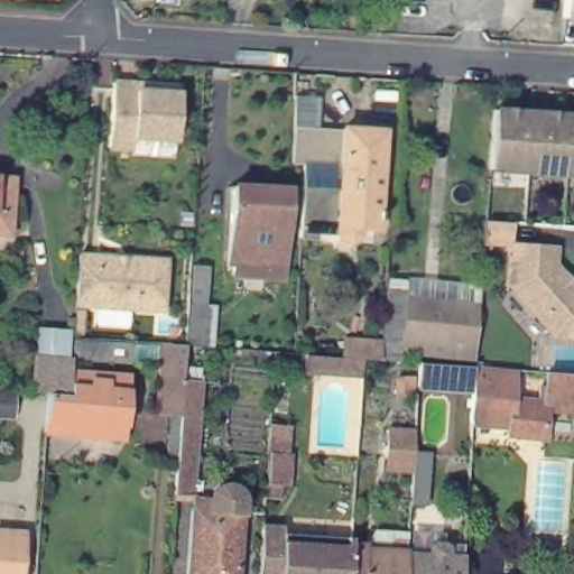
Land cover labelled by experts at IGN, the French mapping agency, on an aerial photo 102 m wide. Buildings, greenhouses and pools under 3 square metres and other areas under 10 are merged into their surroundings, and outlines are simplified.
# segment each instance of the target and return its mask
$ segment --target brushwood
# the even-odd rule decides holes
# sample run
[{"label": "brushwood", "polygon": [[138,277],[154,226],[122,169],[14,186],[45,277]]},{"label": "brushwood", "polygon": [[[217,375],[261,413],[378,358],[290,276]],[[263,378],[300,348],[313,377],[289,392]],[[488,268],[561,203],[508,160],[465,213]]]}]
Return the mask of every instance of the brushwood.
[{"label": "brushwood", "polygon": [[159,76],[159,67],[137,67],[135,72],[123,72],[121,67],[110,65],[108,74],[112,83],[114,83],[146,83],[148,78]]},{"label": "brushwood", "polygon": [[191,166],[186,182],[161,179],[157,186],[166,195],[186,197],[191,206],[197,206],[200,202],[197,164]]},{"label": "brushwood", "polygon": [[166,240],[184,244],[191,251],[191,256],[193,226],[182,224],[168,224],[157,217],[157,226],[164,231]]},{"label": "brushwood", "polygon": [[195,103],[200,108],[211,108],[213,67],[188,65],[184,67],[184,74],[186,74],[186,76],[193,78]]},{"label": "brushwood", "polygon": [[267,525],[265,516],[251,520],[251,574],[258,574],[260,545],[267,536]]},{"label": "brushwood", "polygon": [[179,558],[175,556],[175,534],[179,534],[177,516],[182,513],[182,504],[177,502],[177,511],[166,516],[164,543],[168,552],[164,554],[164,570],[168,574],[173,574],[173,565]]}]

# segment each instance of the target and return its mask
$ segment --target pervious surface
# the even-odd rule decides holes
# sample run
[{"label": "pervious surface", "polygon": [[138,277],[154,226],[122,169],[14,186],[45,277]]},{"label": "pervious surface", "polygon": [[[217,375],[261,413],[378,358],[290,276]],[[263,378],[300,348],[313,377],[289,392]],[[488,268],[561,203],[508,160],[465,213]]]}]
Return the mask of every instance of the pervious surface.
[{"label": "pervious surface", "polygon": [[406,397],[404,401],[408,406],[408,415],[404,419],[413,419],[422,426],[428,413],[428,404],[424,404],[424,397],[419,388],[415,388]]},{"label": "pervious surface", "polygon": [[422,435],[417,437],[417,451],[431,453],[437,453],[437,457],[442,457],[455,453],[455,444],[451,439],[446,446],[435,446],[424,444]]},{"label": "pervious surface", "polygon": [[161,419],[157,413],[144,413],[141,408],[137,408],[132,426],[141,428],[144,442],[164,442],[170,437],[173,422]]},{"label": "pervious surface", "polygon": [[94,325],[108,330],[132,327],[132,318],[130,312],[119,309],[99,309],[94,314]]},{"label": "pervious surface", "polygon": [[99,148],[96,155],[87,161],[87,226],[83,231],[81,242],[83,253],[126,256],[123,247],[119,247],[103,233],[99,220],[101,184],[103,173],[108,170],[103,159],[110,150],[110,123],[119,121],[121,117],[119,87],[114,83],[112,83],[112,87],[96,87],[92,87],[94,105],[90,108],[90,119],[96,126]]},{"label": "pervious surface", "polygon": [[303,265],[298,240],[303,213],[303,184],[296,186],[289,265]]},{"label": "pervious surface", "polygon": [[549,424],[552,439],[565,439],[565,435],[574,439],[574,422]]},{"label": "pervious surface", "polygon": [[504,312],[531,336],[531,365],[543,368],[554,361],[554,350],[565,348],[558,339],[554,339],[547,332],[545,323],[538,316],[531,316],[520,305],[520,300],[507,289],[502,298]]}]

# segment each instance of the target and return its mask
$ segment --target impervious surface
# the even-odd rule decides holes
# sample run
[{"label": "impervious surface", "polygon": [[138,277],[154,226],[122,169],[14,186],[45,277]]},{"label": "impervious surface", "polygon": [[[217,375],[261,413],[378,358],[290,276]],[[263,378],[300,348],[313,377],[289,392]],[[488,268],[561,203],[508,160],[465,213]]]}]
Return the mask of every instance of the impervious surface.
[{"label": "impervious surface", "polygon": [[38,110],[40,105],[45,105],[49,101],[49,90],[63,96],[63,74],[67,72],[70,63],[87,63],[92,67],[94,78],[99,81],[96,87],[112,87],[112,83],[108,74],[110,65],[121,67],[123,72],[135,72],[137,67],[159,67],[164,67],[164,65],[173,65],[173,63],[188,63],[188,65],[213,67],[211,108],[209,141],[204,144],[206,155],[200,157],[197,164],[200,202],[209,215],[224,217],[226,222],[229,188],[235,188],[240,184],[296,186],[303,184],[303,173],[296,166],[291,166],[271,170],[231,150],[226,144],[226,108],[229,83],[238,78],[242,72],[260,72],[267,76],[291,76],[289,99],[294,108],[298,108],[298,96],[321,96],[321,128],[343,130],[352,126],[379,126],[392,130],[397,128],[397,110],[392,101],[399,101],[399,92],[404,90],[401,81],[419,76],[435,85],[439,85],[439,132],[448,132],[451,128],[455,85],[484,85],[516,83],[520,87],[520,94],[507,99],[504,108],[574,112],[574,25],[572,22],[561,31],[561,40],[556,43],[511,36],[509,29],[520,18],[522,9],[529,4],[527,0],[408,0],[397,27],[388,31],[374,31],[370,36],[357,36],[352,25],[343,25],[339,29],[323,29],[314,25],[309,29],[289,22],[280,27],[280,20],[269,7],[271,0],[220,0],[226,7],[224,22],[197,22],[193,18],[179,18],[177,22],[157,22],[157,18],[144,16],[146,9],[141,0],[0,0],[0,58],[38,58],[38,67],[31,72],[27,83],[0,103],[0,175],[18,177],[20,195],[16,238],[29,235],[36,242],[34,262],[29,265],[27,280],[27,291],[36,291],[40,330],[65,330],[67,307],[54,285],[49,260],[45,260],[43,244],[47,242],[47,238],[43,211],[36,200],[38,186],[54,191],[61,186],[58,175],[49,173],[52,164],[47,164],[31,168],[13,159],[4,150],[7,121],[20,114],[22,110]]},{"label": "impervious surface", "polygon": [[[312,453],[359,455],[363,388],[363,379],[312,379]],[[318,442],[321,397],[332,386],[341,388],[348,397],[345,437],[341,446]]]},{"label": "impervious surface", "polygon": [[561,247],[561,262],[574,276],[574,233],[527,226],[516,231],[518,242]]},{"label": "impervious surface", "polygon": [[173,565],[173,574],[184,574],[188,511],[192,509],[192,502],[182,504],[182,513],[177,516],[179,534],[175,534],[175,556],[179,558]]},{"label": "impervious surface", "polygon": [[444,157],[439,157],[433,170],[424,278],[437,278],[439,222],[444,215],[448,166]]},{"label": "impervious surface", "polygon": [[323,233],[323,244],[332,244],[341,253],[345,253],[352,262],[357,260],[357,247],[352,240],[343,240],[339,233]]},{"label": "impervious surface", "polygon": [[493,186],[513,188],[511,173],[500,173],[498,166],[489,170],[493,177]]},{"label": "impervious surface", "polygon": [[561,543],[567,543],[567,525],[574,518],[574,460],[561,460],[565,469],[563,516],[561,531],[554,536],[536,531],[536,527],[543,522],[543,513],[534,507],[538,489],[538,469],[547,466],[547,462],[552,460],[545,457],[543,446],[536,439],[513,437],[502,428],[491,428],[489,433],[478,435],[478,442],[511,446],[527,464],[527,516],[518,520],[522,536],[527,536],[534,543],[540,543],[545,549],[558,549]]},{"label": "impervious surface", "polygon": [[516,370],[520,399],[531,399],[536,390],[543,386],[545,374],[554,372],[554,361],[543,368],[531,365],[529,370]]},{"label": "impervious surface", "polygon": [[365,543],[370,549],[401,549],[413,554],[431,554],[431,547],[419,543],[379,543],[374,540],[374,536],[370,534],[368,525],[348,527],[348,538],[357,536],[357,540]]},{"label": "impervious surface", "polygon": [[446,518],[433,504],[419,509],[415,516],[415,520],[422,525],[442,525],[442,543],[457,545],[466,538],[464,534],[446,527]]},{"label": "impervious surface", "polygon": [[43,531],[43,525],[36,509],[38,469],[45,469],[45,462],[52,460],[70,460],[81,451],[87,451],[87,460],[101,460],[105,455],[117,453],[103,439],[94,439],[87,448],[83,448],[78,442],[72,439],[49,437],[45,433],[47,401],[38,397],[25,399],[20,413],[16,415],[16,422],[22,428],[20,478],[16,482],[0,482],[0,531],[27,531],[29,554],[40,554],[38,534]]},{"label": "impervious surface", "polygon": [[469,574],[502,574],[502,561],[491,554],[484,554],[480,558],[480,567],[469,565]]}]

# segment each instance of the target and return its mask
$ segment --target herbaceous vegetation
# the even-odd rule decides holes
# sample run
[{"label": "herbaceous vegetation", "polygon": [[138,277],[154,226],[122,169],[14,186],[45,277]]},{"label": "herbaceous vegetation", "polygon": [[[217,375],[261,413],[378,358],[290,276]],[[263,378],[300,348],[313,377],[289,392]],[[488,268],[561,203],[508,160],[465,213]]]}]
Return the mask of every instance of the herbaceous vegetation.
[{"label": "herbaceous vegetation", "polygon": [[457,363],[475,365],[478,370],[484,365],[516,370],[529,370],[531,365],[531,336],[504,312],[502,298],[489,303],[482,296],[478,359],[460,359]]},{"label": "herbaceous vegetation", "polygon": [[0,482],[16,482],[20,478],[22,428],[16,422],[0,422]]},{"label": "herbaceous vegetation", "polygon": [[132,426],[128,444],[117,453],[105,455],[101,460],[87,460],[87,451],[81,451],[70,460],[52,460],[45,462],[45,469],[38,469],[36,509],[43,525],[43,531],[38,534],[40,554],[29,554],[29,574],[168,574],[164,570],[164,554],[168,552],[164,543],[166,516],[177,511],[177,502],[173,484],[175,471],[152,469],[146,460],[137,457],[137,453],[144,446],[146,451],[157,453],[161,457],[173,455],[164,442],[144,442],[141,428]]},{"label": "herbaceous vegetation", "polygon": [[27,280],[25,278],[18,287],[11,287],[9,291],[0,283],[0,316],[9,316],[18,303],[18,296],[27,291]]},{"label": "herbaceous vegetation", "polygon": [[565,435],[565,439],[552,439],[543,446],[545,457],[552,460],[561,460],[574,460],[574,439]]},{"label": "herbaceous vegetation", "polygon": [[534,195],[540,188],[549,193],[554,200],[561,197],[561,217],[556,222],[574,224],[574,184],[545,184],[540,175],[534,175],[529,179],[529,195]]},{"label": "herbaceous vegetation", "polygon": [[197,22],[224,22],[226,7],[220,0],[141,0],[146,9],[144,16],[157,18],[157,22],[177,22],[179,18],[193,18]]},{"label": "herbaceous vegetation", "polygon": [[31,72],[38,67],[38,58],[0,58],[0,103],[27,83]]},{"label": "herbaceous vegetation", "polygon": [[572,22],[561,13],[563,0],[527,0],[529,4],[522,9],[520,18],[509,29],[511,36],[556,43],[561,40],[561,31]]},{"label": "herbaceous vegetation", "polygon": [[451,211],[460,211],[462,224],[469,231],[480,231],[482,226],[487,226],[487,222],[520,220],[522,191],[513,188],[493,186],[493,177],[489,170],[487,159],[491,144],[491,114],[496,110],[493,103],[489,103],[480,92],[484,85],[455,85],[451,128],[448,132],[439,132],[439,85],[435,85],[415,94],[413,108],[408,108],[408,128],[417,137],[428,139],[439,157],[444,157],[448,166],[444,215]]},{"label": "herbaceous vegetation", "polygon": [[141,408],[146,401],[146,388],[155,383],[155,379],[159,379],[159,368],[144,379],[144,374],[132,365],[94,361],[90,370],[132,374],[137,408]]},{"label": "herbaceous vegetation", "polygon": [[365,305],[368,300],[372,300],[372,291],[388,289],[392,278],[424,278],[433,170],[404,179],[404,206],[408,222],[406,229],[395,238],[390,238],[388,233],[383,242],[357,247],[357,260],[377,258],[381,244],[388,249],[388,265],[379,265],[377,274],[370,278],[370,285],[363,289],[363,298],[359,303],[341,303],[327,298],[327,278],[334,276],[334,265],[341,253],[332,244],[323,244],[298,240],[303,265],[305,278],[309,283],[309,309],[330,321],[327,330],[316,330],[316,341],[334,339],[339,343],[348,339],[374,339],[374,334],[363,332]]},{"label": "herbaceous vegetation", "polygon": [[[238,78],[229,83],[226,108],[226,144],[231,150],[271,170],[291,166],[294,108],[289,99],[291,76],[267,76],[260,72],[242,72]],[[276,92],[276,96],[285,103],[274,110],[265,105],[260,110],[253,110],[249,105],[251,96],[258,103],[265,103],[267,92]]]},{"label": "herbaceous vegetation", "polygon": [[[209,352],[195,354],[195,341],[186,339],[188,314],[184,309],[184,298],[191,294],[191,267],[211,267],[213,276],[209,300],[217,305],[217,327],[231,327],[240,336],[256,336],[256,343],[235,345],[238,365],[229,365],[229,370],[222,370],[217,379],[206,379],[204,406],[217,401],[224,395],[235,399],[233,408],[220,417],[222,433],[211,437],[206,431],[200,439],[202,457],[215,457],[217,462],[229,464],[233,471],[240,466],[258,466],[267,471],[267,431],[274,424],[291,426],[291,457],[294,469],[298,471],[298,480],[296,487],[289,487],[285,498],[280,500],[280,513],[287,516],[283,525],[287,527],[287,531],[296,522],[348,527],[368,525],[370,534],[374,536],[374,531],[381,529],[406,531],[408,522],[415,520],[415,516],[408,507],[410,475],[390,473],[381,482],[377,482],[374,471],[381,446],[390,446],[392,428],[408,428],[417,437],[422,435],[422,426],[413,419],[404,419],[408,415],[408,406],[404,401],[406,397],[392,392],[392,383],[395,379],[415,377],[417,372],[404,370],[404,359],[392,363],[388,377],[377,381],[372,392],[363,388],[359,455],[312,453],[312,379],[307,379],[305,383],[296,383],[287,392],[280,386],[271,386],[267,381],[267,365],[274,361],[289,361],[300,370],[305,368],[303,357],[303,352],[283,348],[291,336],[287,314],[291,312],[294,291],[298,285],[296,271],[289,269],[287,278],[265,278],[262,291],[244,289],[247,278],[238,276],[235,271],[229,274],[224,267],[226,222],[224,217],[209,215],[200,202],[197,206],[191,206],[186,197],[166,195],[157,186],[161,179],[186,182],[191,166],[197,164],[200,157],[206,155],[204,144],[191,141],[184,135],[177,155],[170,159],[137,155],[121,159],[117,152],[110,150],[103,159],[108,170],[103,173],[101,184],[99,220],[103,233],[119,247],[123,247],[126,256],[150,256],[170,260],[170,316],[177,318],[177,325],[179,325],[179,336],[166,336],[152,334],[155,325],[152,316],[132,318],[132,327],[108,330],[94,325],[94,314],[85,314],[85,334],[81,334],[76,327],[76,280],[83,253],[81,242],[83,231],[87,226],[87,161],[83,157],[72,155],[52,155],[47,164],[52,164],[49,173],[58,175],[61,186],[54,191],[38,186],[36,200],[43,211],[47,238],[47,242],[43,244],[45,260],[49,260],[54,285],[67,307],[65,330],[72,332],[74,341],[90,339],[114,343],[184,345],[188,350],[188,365],[202,368],[211,359],[213,348]],[[144,217],[148,226],[139,226],[139,215],[135,215],[130,209],[130,197],[141,193],[146,193],[152,200],[152,213]],[[164,231],[157,226],[157,217],[168,224],[182,224],[182,215],[188,211],[195,220],[193,226],[191,256],[191,251],[184,244],[166,240]]]},{"label": "herbaceous vegetation", "polygon": [[448,473],[446,482],[460,489],[462,496],[471,493],[482,498],[493,534],[504,531],[500,527],[498,507],[511,507],[511,513],[518,520],[527,516],[527,464],[511,446],[478,442],[469,439],[466,401],[471,392],[444,390],[451,399],[451,439],[455,444],[455,453],[442,457],[437,457],[437,453],[431,453],[433,469],[444,469]]}]

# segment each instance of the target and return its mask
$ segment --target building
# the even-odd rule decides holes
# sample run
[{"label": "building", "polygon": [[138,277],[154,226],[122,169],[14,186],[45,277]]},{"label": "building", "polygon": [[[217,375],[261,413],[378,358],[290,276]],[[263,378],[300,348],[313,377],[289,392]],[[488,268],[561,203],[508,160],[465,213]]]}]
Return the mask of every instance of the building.
[{"label": "building", "polygon": [[330,321],[309,309],[309,321],[305,327],[316,330],[327,330]]},{"label": "building", "polygon": [[269,504],[274,500],[280,500],[285,498],[289,487],[296,487],[298,480],[298,471],[294,469],[291,457],[291,426],[274,424],[267,431],[267,471],[269,491],[260,498],[260,502]]},{"label": "building", "polygon": [[170,159],[177,155],[184,135],[186,108],[195,103],[193,78],[186,76],[182,76],[182,78],[161,78],[161,76],[159,76],[148,78],[146,83],[114,83],[119,87],[121,117],[119,121],[110,123],[110,150],[117,152],[121,159],[137,155]]},{"label": "building", "polygon": [[433,504],[433,469],[431,453],[417,451],[417,437],[408,428],[392,428],[390,446],[381,446],[374,471],[377,482],[381,482],[390,473],[410,475],[408,507],[415,516],[419,509]]},{"label": "building", "polygon": [[182,224],[193,226],[195,220],[188,211],[182,215]]},{"label": "building", "polygon": [[16,415],[20,413],[25,399],[13,392],[0,392],[0,422],[16,422]]},{"label": "building", "polygon": [[500,173],[511,173],[513,188],[522,191],[520,220],[487,222],[487,226],[487,244],[493,249],[502,249],[507,256],[507,289],[520,300],[520,305],[531,316],[538,316],[545,323],[547,332],[554,339],[558,339],[565,348],[574,348],[574,276],[561,262],[561,247],[518,242],[516,231],[527,226],[574,233],[574,224],[556,222],[545,222],[538,211],[529,211],[529,195],[529,179],[534,175],[540,175],[545,184],[574,184],[574,112],[504,108],[496,110],[491,114],[491,144],[487,159],[489,170],[498,166]]},{"label": "building", "polygon": [[572,22],[574,25],[574,0],[563,0],[561,13]]},{"label": "building", "polygon": [[173,327],[170,327],[170,332],[168,332],[166,336],[179,336],[179,325],[177,325],[173,325]]},{"label": "building", "polygon": [[87,448],[94,439],[103,439],[117,453],[128,444],[132,426],[137,408],[132,374],[90,370],[94,361],[132,365],[137,359],[161,359],[164,365],[159,368],[159,379],[155,379],[155,383],[146,388],[146,401],[141,408],[144,413],[157,413],[161,419],[173,422],[170,437],[164,442],[173,455],[177,455],[175,471],[173,484],[177,502],[182,504],[192,502],[192,509],[188,511],[184,574],[251,574],[251,520],[265,516],[262,511],[256,511],[251,507],[251,493],[240,484],[220,482],[211,484],[211,489],[204,489],[204,469],[217,462],[215,457],[202,457],[200,439],[206,431],[204,406],[206,379],[202,368],[188,365],[188,350],[184,345],[114,343],[90,339],[74,341],[72,332],[65,330],[40,330],[34,365],[38,397],[47,401],[45,433],[49,437],[72,439],[78,442],[83,448]]},{"label": "building", "polygon": [[235,271],[238,276],[247,278],[244,289],[262,291],[265,278],[287,278],[289,269],[289,265],[296,186],[240,184],[235,188],[229,188],[226,222],[224,267],[229,274]]},{"label": "building", "polygon": [[374,531],[374,536],[374,540],[379,543],[419,543],[431,547],[431,554],[413,554],[401,549],[370,549],[365,543],[357,540],[357,536],[348,538],[348,527],[296,522],[287,531],[287,527],[283,525],[267,525],[267,536],[260,545],[258,574],[469,574],[469,565],[471,540],[466,538],[457,545],[442,543],[442,525],[422,525],[415,520],[408,522],[406,531],[381,529]]},{"label": "building", "polygon": [[213,276],[211,267],[191,267],[191,294],[184,298],[184,309],[188,314],[186,339],[195,341],[195,354],[209,352],[213,348],[217,345],[217,327],[217,305],[209,300]]},{"label": "building", "polygon": [[469,439],[478,442],[478,435],[489,433],[491,428],[502,428],[513,437],[536,439],[543,446],[552,439],[549,424],[574,422],[574,374],[554,372],[545,374],[543,386],[536,390],[531,399],[520,399],[516,370],[484,365],[478,370],[475,365],[457,363],[460,359],[478,359],[482,296],[482,289],[475,285],[437,278],[424,278],[392,278],[388,289],[388,298],[395,305],[395,314],[390,323],[374,334],[374,339],[348,339],[339,343],[343,354],[336,359],[314,354],[303,357],[305,368],[312,379],[363,379],[368,361],[392,363],[404,359],[404,352],[422,348],[426,357],[422,359],[422,365],[417,365],[417,372],[415,377],[395,379],[392,383],[392,392],[406,397],[415,388],[419,388],[424,397],[431,390],[444,390],[471,392],[466,401]]},{"label": "building", "polygon": [[298,108],[294,108],[291,166],[296,166],[303,173],[303,184],[303,213],[298,240],[323,244],[323,233],[339,233],[343,240],[352,240],[357,247],[383,242],[388,233],[386,209],[392,130],[379,126],[352,126],[343,130],[321,128],[321,96],[298,96]]},{"label": "building", "polygon": [[168,321],[170,316],[170,260],[150,256],[126,256],[83,253],[76,280],[76,327],[81,334],[85,334],[85,314],[94,314],[99,309],[119,309],[130,312],[132,318],[152,316],[155,325]]},{"label": "building", "polygon": [[29,554],[27,531],[0,531],[0,574],[29,574]]},{"label": "building", "polygon": [[0,249],[11,244],[16,238],[20,195],[18,177],[0,175]]}]

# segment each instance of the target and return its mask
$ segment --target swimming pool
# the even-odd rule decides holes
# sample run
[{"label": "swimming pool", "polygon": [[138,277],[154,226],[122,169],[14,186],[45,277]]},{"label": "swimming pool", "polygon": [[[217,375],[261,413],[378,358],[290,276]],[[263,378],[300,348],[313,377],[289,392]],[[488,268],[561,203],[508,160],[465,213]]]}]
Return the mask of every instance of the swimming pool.
[{"label": "swimming pool", "polygon": [[534,507],[543,513],[543,522],[536,527],[536,531],[554,536],[561,531],[563,516],[565,469],[561,460],[552,460],[547,462],[547,466],[538,469],[538,489]]},{"label": "swimming pool", "polygon": [[554,350],[554,361],[554,372],[574,374],[574,348],[565,348]]},{"label": "swimming pool", "polygon": [[348,397],[341,388],[332,386],[321,397],[318,442],[341,446],[345,437]]},{"label": "swimming pool", "polygon": [[424,397],[424,404],[428,404],[428,413],[422,426],[422,435],[424,444],[435,446],[446,446],[451,439],[451,399],[444,390],[431,390]]},{"label": "swimming pool", "polygon": [[166,336],[168,332],[170,332],[170,327],[173,327],[173,325],[177,325],[177,318],[170,316],[168,321],[155,325],[152,334]]}]

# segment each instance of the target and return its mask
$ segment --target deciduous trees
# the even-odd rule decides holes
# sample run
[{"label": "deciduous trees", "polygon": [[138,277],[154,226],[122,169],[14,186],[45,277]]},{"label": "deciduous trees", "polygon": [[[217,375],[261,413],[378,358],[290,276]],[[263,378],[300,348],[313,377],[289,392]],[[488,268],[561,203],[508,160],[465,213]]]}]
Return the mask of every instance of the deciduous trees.
[{"label": "deciduous trees", "polygon": [[507,256],[502,249],[493,249],[487,244],[487,226],[482,226],[480,231],[469,231],[462,224],[460,211],[451,211],[444,215],[439,222],[437,278],[475,285],[482,289],[482,296],[489,303],[502,298],[507,289]]},{"label": "deciduous trees", "polygon": [[377,274],[379,265],[388,265],[388,249],[381,244],[377,258],[357,260],[352,262],[345,253],[341,253],[334,265],[334,276],[327,278],[327,298],[341,303],[359,303],[363,298],[363,289],[370,285],[370,278]]},{"label": "deciduous trees", "polygon": [[365,305],[363,332],[374,334],[390,323],[395,314],[395,305],[388,298],[388,289],[372,291],[372,300],[368,300]]},{"label": "deciduous trees", "polygon": [[144,374],[144,379],[159,368],[164,365],[161,359],[137,359],[132,365]]},{"label": "deciduous trees", "polygon": [[186,108],[184,135],[191,141],[204,144],[209,141],[211,108],[200,108],[195,103]]},{"label": "deciduous trees", "polygon": [[70,63],[67,72],[63,74],[63,96],[49,90],[49,101],[45,105],[40,105],[38,110],[22,110],[20,114],[7,121],[4,150],[13,159],[31,168],[47,164],[52,155],[72,155],[83,157],[87,161],[96,155],[99,148],[96,126],[90,119],[90,108],[94,105],[92,87],[96,87],[99,81],[94,78],[92,67],[87,63]]},{"label": "deciduous trees", "polygon": [[175,471],[177,455],[173,455],[161,457],[157,453],[146,451],[144,446],[137,453],[137,457],[146,460],[152,469]]},{"label": "deciduous trees", "polygon": [[240,336],[231,327],[217,327],[217,345],[213,348],[211,359],[202,368],[206,379],[217,379],[222,370],[229,370],[229,365],[238,365],[235,345],[256,343],[256,336]]},{"label": "deciduous trees", "polygon": [[274,110],[285,103],[276,96],[276,92],[267,92],[265,103],[258,103],[251,96],[249,105],[253,110],[260,110],[265,105]]},{"label": "deciduous trees", "polygon": [[399,92],[399,101],[392,101],[397,110],[397,128],[392,130],[386,209],[388,233],[390,238],[395,238],[406,229],[408,222],[404,206],[404,179],[433,170],[439,157],[428,139],[417,137],[408,128],[408,108],[413,108],[415,94],[435,85],[419,76],[401,81],[404,90]]},{"label": "deciduous trees", "polygon": [[392,363],[368,361],[363,379],[363,388],[372,392],[377,381],[388,377]]},{"label": "deciduous trees", "polygon": [[229,464],[217,462],[204,469],[204,489],[211,489],[211,484],[220,482],[240,484],[251,493],[251,507],[256,511],[262,511],[265,516],[267,525],[283,525],[287,516],[280,513],[280,500],[274,500],[269,504],[260,502],[260,498],[269,491],[267,471],[258,466],[240,466],[233,471]]},{"label": "deciduous trees", "polygon": [[549,193],[540,188],[534,195],[529,195],[529,211],[538,211],[545,222],[556,222],[561,217],[561,197],[554,200]]},{"label": "deciduous trees", "polygon": [[307,379],[312,379],[305,368],[300,370],[289,361],[274,361],[267,365],[267,381],[271,386],[280,386],[287,392],[296,383],[305,383]]},{"label": "deciduous trees", "polygon": [[404,352],[404,359],[404,370],[417,372],[417,365],[422,365],[422,359],[426,357],[422,348]]},{"label": "deciduous trees", "polygon": [[489,103],[493,103],[496,110],[504,108],[507,99],[520,94],[520,87],[516,83],[484,85],[480,92]]},{"label": "deciduous trees", "polygon": [[0,316],[0,392],[13,392],[25,399],[38,397],[34,365],[40,330],[36,291],[27,291],[18,296],[18,303],[9,316]]},{"label": "deciduous trees", "polygon": [[159,67],[159,76],[161,76],[161,78],[182,78],[182,76],[186,76],[186,74],[184,74],[184,67],[188,65],[188,63],[173,63],[173,65],[164,65],[164,67]]},{"label": "deciduous trees", "polygon": [[289,265],[289,269],[296,271],[298,285],[294,291],[291,312],[287,314],[291,336],[283,348],[303,352],[303,357],[314,354],[336,359],[343,354],[339,343],[334,339],[316,341],[316,330],[305,327],[309,321],[309,309],[309,283],[305,278],[303,265]]},{"label": "deciduous trees", "polygon": [[144,217],[152,213],[152,200],[146,193],[141,193],[130,197],[130,209],[135,215],[139,215],[139,226],[148,226]]},{"label": "deciduous trees", "polygon": [[18,287],[25,278],[27,280],[29,265],[34,262],[36,242],[29,235],[16,238],[11,244],[0,249],[0,283],[9,291],[11,287]]},{"label": "deciduous trees", "polygon": [[574,574],[574,518],[567,525],[567,543],[561,543],[558,549],[545,549],[540,543],[534,543],[527,536],[522,536],[518,520],[511,513],[511,507],[498,507],[500,527],[504,531],[493,534],[482,498],[471,493],[462,496],[460,489],[446,482],[448,473],[444,469],[433,469],[433,504],[446,518],[446,527],[464,534],[466,538],[471,540],[469,565],[480,567],[480,558],[484,554],[491,554],[502,561],[502,574]]},{"label": "deciduous trees", "polygon": [[388,31],[397,27],[408,0],[271,0],[269,7],[280,20],[280,27],[289,22],[309,29],[314,25],[323,29],[339,29],[343,25],[352,25],[357,36],[370,36],[374,31]]},{"label": "deciduous trees", "polygon": [[204,406],[206,431],[211,437],[222,433],[220,417],[233,408],[235,399],[224,395],[217,401]]}]

